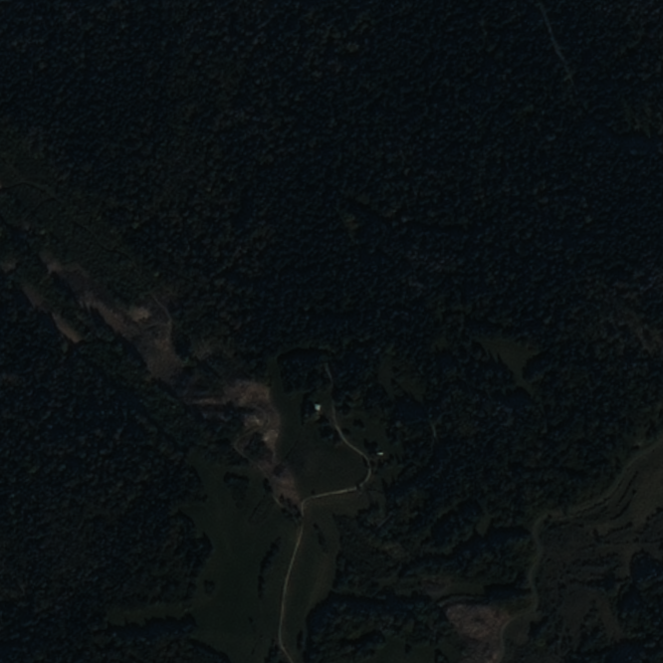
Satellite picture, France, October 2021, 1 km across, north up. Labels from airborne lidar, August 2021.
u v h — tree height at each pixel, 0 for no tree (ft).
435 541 23
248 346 73
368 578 24
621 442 69
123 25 78
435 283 87
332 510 0
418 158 64
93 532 52
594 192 93
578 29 99
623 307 74
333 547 0
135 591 46
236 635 0
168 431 26
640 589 53
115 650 55
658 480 0
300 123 64
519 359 0
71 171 45
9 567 57
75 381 66
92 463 62
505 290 60
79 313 30
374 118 100
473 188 70
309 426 0
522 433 57
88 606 45
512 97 95
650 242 97
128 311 26
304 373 74
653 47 75
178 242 27
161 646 52
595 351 74
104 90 101
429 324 72
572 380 68
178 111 76
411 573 33
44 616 73
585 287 67
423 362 73
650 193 100
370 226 103
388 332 52
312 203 104
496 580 36
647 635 22
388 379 0
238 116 75
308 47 87
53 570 66
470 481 49
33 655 74
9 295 71
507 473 50
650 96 76
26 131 73
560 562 0
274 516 0
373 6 96
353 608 40
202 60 63
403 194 74
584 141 85
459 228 20
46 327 19
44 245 24
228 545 0
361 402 26
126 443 52
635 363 75
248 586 0
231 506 0
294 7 94
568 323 61
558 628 24
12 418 65
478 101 78
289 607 0
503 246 52
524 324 21
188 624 36
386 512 107
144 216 80
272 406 28
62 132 61
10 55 85
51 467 73
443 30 74
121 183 86
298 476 0
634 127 41
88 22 82
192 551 44
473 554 48
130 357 54
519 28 57
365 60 93
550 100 37
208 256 50
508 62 35
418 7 83
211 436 49
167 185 69
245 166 87
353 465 0
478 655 0
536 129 63
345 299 84
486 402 72
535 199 60
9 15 83
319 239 64
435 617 19
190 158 61
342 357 46
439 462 62
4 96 76
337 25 73
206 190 63
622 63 27
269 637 0
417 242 57
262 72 40
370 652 21
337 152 83
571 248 94
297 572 0
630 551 0
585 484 57
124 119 89
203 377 42
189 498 60
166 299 84
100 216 36
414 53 95
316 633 53
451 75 105
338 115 85
